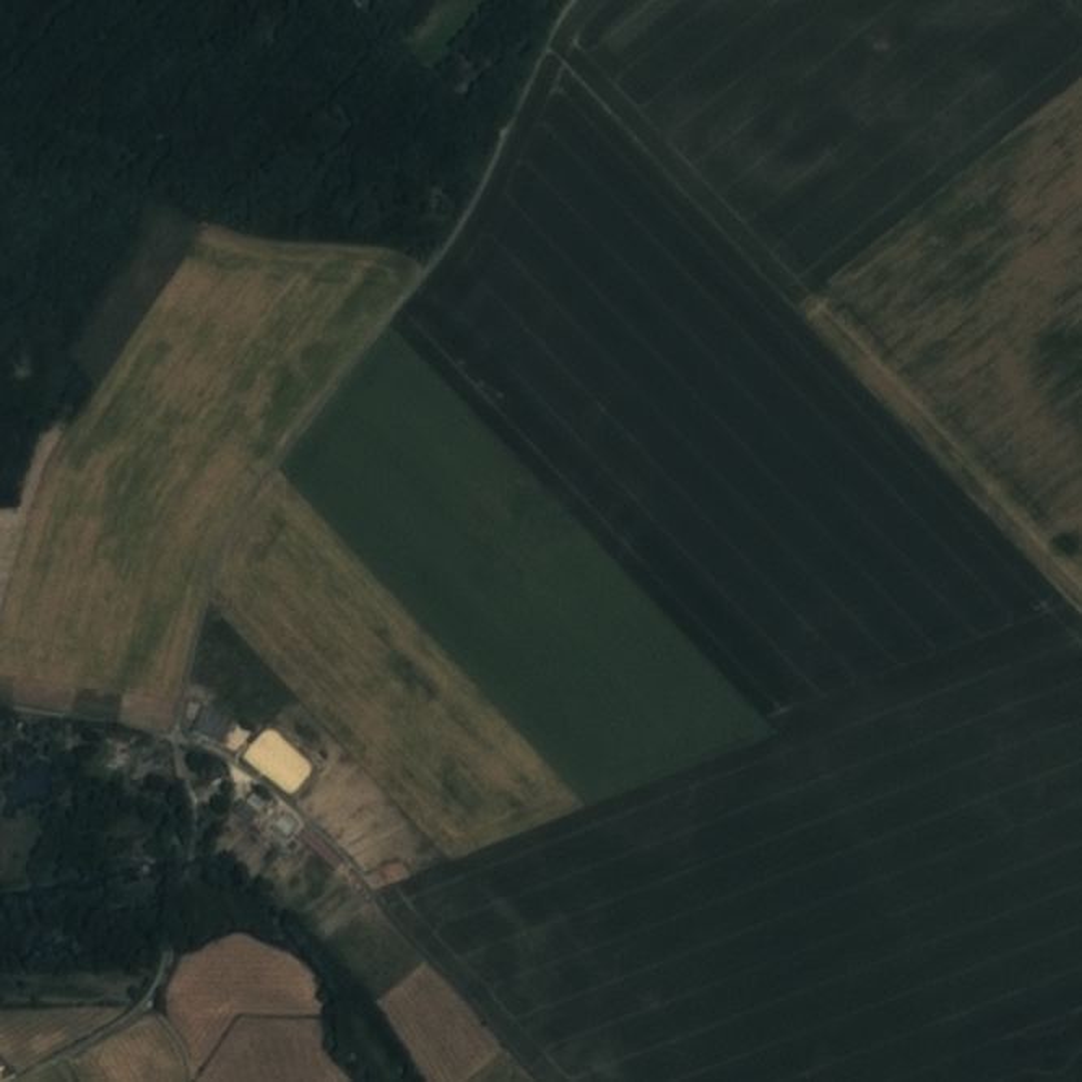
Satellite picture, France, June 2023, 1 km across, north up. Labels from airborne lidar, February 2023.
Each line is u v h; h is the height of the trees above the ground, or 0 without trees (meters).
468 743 0
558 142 0
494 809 0
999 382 0
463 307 0
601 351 0
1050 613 0
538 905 0
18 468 14
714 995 0
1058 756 0
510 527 0
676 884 0
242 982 0
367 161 19
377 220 15
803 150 0
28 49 18
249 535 0
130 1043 0
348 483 0
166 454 0
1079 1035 0
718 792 0
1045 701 0
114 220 20
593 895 0
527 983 0
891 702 0
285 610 0
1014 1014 0
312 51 16
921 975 0
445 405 0
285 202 17
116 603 0
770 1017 0
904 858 0
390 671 0
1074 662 0
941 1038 0
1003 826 0
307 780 0
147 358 0
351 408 0
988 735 0
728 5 0
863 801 0
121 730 10
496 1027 0
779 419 0
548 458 0
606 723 0
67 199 18
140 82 16
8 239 20
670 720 0
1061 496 0
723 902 0
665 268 0
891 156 0
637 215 0
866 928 0
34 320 15
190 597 0
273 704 0
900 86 0
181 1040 0
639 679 0
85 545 0
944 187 0
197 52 21
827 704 0
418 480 0
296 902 0
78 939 13
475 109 21
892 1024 0
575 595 0
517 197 0
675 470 0
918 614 0
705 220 0
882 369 0
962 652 0
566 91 0
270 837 0
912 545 0
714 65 0
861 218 0
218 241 0
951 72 0
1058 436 0
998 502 0
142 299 0
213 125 15
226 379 0
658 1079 0
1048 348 0
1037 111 0
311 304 0
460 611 0
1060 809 0
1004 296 0
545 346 0
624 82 0
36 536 0
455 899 0
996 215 0
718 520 0
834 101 0
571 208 0
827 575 0
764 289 0
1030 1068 0
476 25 15
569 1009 0
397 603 0
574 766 0
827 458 0
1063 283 0
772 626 0
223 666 0
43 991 0
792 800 0
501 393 0
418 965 0
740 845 0
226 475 0
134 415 0
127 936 28
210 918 0
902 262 0
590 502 0
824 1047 0
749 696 0
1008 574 0
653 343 0
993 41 0
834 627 0
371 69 19
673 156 0
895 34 0
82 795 15
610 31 0
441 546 0
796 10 0
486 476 0
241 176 12
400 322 0
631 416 0
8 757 8
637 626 0
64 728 11
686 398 0
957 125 0
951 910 0
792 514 0
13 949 31
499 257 0
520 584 0
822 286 0
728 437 0
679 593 0
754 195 0
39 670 0
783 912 0
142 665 0
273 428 0
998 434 0
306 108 10
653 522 0
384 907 0
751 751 0
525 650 0
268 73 17
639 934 0
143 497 0
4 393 0
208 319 0
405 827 0
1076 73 0
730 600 0
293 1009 0
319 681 0
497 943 0
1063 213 0
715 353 0
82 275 17
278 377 0
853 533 0
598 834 0
